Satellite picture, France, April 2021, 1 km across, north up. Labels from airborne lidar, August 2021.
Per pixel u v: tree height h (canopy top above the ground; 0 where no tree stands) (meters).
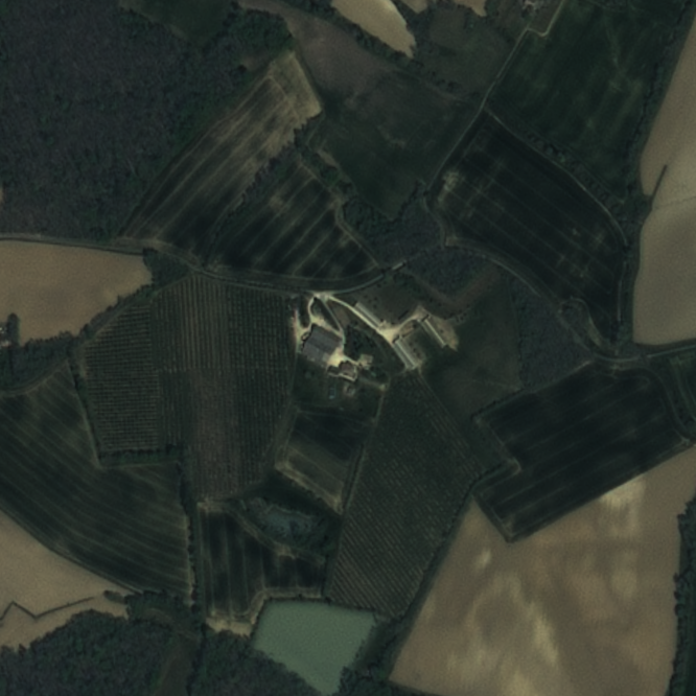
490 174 0
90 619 15
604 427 0
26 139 22
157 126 24
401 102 0
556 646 0
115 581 0
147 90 17
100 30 14
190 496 23
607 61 0
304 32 0
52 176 22
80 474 0
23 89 18
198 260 0
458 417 0
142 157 18
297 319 0
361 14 0
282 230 0
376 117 0
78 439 0
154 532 0
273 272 0
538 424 0
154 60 18
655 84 14
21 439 0
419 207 6
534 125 0
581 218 0
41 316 0
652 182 0
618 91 0
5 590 0
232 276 0
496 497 0
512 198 0
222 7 0
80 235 17
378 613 9
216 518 0
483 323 6
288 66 0
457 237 0
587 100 0
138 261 0
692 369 0
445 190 0
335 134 0
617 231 0
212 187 0
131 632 17
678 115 0
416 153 0
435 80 9
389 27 0
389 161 0
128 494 0
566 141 0
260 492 0
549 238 0
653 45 0
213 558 0
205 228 0
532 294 15
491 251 0
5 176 17
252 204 11
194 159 0
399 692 13
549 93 0
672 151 0
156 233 0
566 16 0
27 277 0
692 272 0
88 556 0
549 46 0
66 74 15
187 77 23
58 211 16
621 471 0
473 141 0
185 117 24
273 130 0
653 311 0
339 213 0
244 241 0
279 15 0
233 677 15
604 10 0
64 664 15
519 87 0
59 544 0
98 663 23
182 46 19
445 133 0
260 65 0
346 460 0
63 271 0
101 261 0
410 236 13
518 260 0
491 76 0
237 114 0
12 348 13
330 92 0
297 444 0
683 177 0
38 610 0
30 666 23
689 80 0
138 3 0
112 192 22
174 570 0
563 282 0
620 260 0
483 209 0
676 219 0
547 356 17
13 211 16
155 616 0
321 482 0
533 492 0
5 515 0
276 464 0
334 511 0
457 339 0
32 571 0
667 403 0
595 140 0
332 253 0
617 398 0
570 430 0
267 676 22
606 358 0
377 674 21
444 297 12
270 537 9
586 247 0
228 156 0
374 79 0
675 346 0
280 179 17
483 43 0
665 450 0
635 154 18
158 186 0
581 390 0
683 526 16
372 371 8
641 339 0
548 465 0
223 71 18
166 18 0
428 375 0
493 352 0
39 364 18
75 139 18
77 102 19
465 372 0
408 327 0
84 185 22
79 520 0
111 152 23
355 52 0
